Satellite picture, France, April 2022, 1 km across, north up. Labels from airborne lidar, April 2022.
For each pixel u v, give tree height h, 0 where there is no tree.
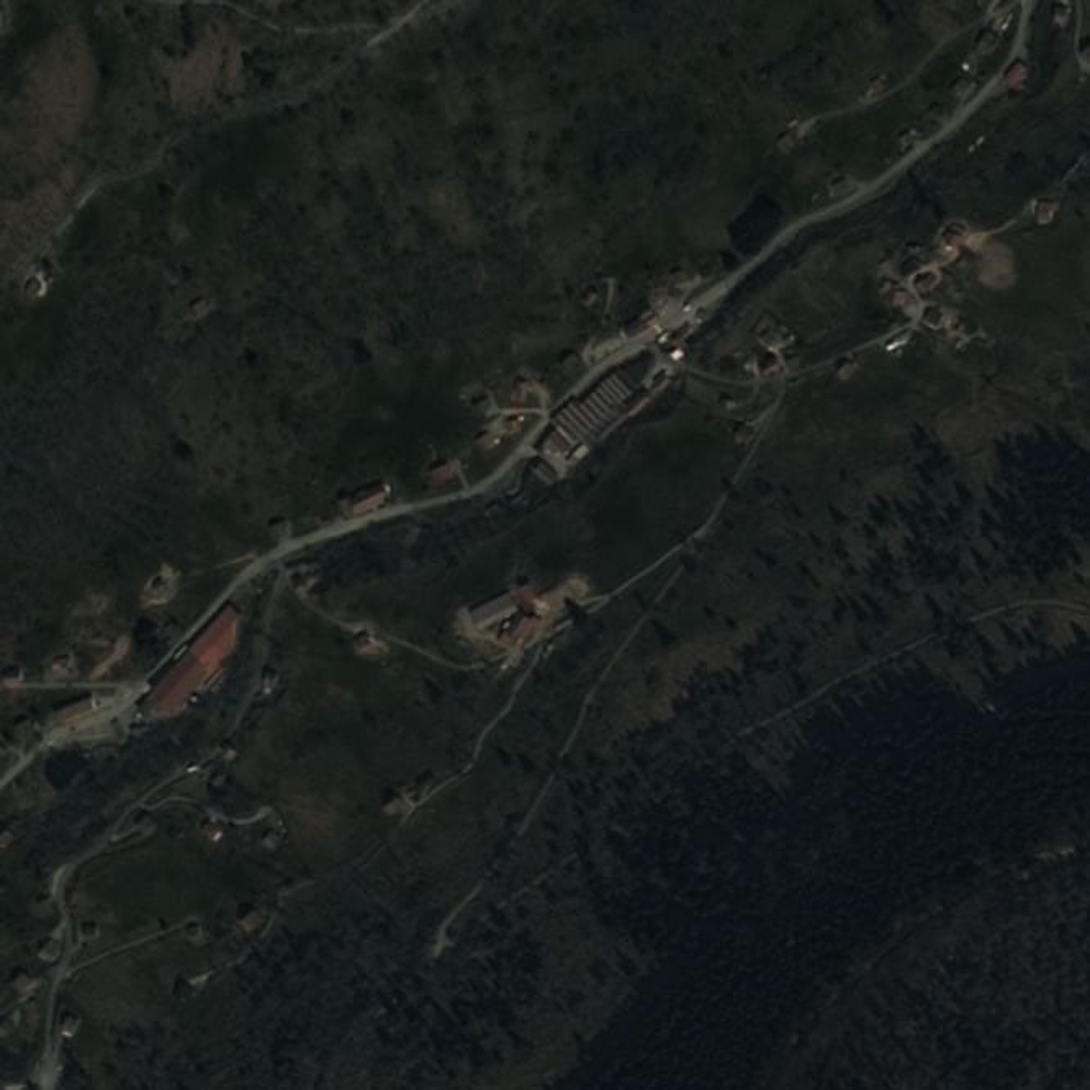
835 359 0
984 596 0
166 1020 0
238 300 0
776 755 0
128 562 0
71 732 0
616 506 0
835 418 0
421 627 0
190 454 21
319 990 12
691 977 21
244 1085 0
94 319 14
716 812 10
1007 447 0
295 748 0
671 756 8
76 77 0
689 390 0
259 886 0
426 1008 9
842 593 0
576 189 0
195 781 0
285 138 0
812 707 0
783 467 0
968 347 0
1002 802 21
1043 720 32
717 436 0
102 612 0
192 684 0
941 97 0
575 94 16
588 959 0
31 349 0
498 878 14
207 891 0
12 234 0
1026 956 25
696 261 0
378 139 0
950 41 0
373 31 7
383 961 7
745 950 24
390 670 0
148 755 16
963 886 17
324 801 0
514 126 0
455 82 0
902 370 0
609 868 0
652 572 0
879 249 0
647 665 0
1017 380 0
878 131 0
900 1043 31
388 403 0
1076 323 0
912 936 10
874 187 0
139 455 16
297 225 15
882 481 0
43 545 10
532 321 6
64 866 0
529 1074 0
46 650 0
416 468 0
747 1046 26
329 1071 11
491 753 0
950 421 0
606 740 0
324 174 7
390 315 22
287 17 13
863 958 8
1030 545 10
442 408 0
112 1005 0
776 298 0
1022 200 0
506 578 0
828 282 0
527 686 0
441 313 25
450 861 0
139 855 0
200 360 19
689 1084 12
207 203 0
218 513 0
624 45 19
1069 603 0
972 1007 27
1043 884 13
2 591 0
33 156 0
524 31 15
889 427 0
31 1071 7
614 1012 0
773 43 0
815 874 24
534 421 0
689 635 0
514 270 20
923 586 12
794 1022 21
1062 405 0
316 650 0
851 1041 9
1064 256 0
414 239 0
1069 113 0
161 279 14
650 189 0
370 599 0
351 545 7
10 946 0
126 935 0
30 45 0
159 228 0
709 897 18
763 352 0
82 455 22
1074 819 13
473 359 0
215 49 0
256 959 8
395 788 0
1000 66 0
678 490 0
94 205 0
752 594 0
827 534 0
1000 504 17
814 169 0
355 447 0
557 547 0
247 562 0
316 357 13
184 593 0
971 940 11
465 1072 0
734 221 0
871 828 20
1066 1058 9
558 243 0
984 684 0
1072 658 0
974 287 0
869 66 0
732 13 19
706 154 20
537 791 0
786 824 20
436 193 0
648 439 0
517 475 0
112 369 15
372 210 15
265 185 0
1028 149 0
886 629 10
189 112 0
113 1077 8
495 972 11
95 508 19
